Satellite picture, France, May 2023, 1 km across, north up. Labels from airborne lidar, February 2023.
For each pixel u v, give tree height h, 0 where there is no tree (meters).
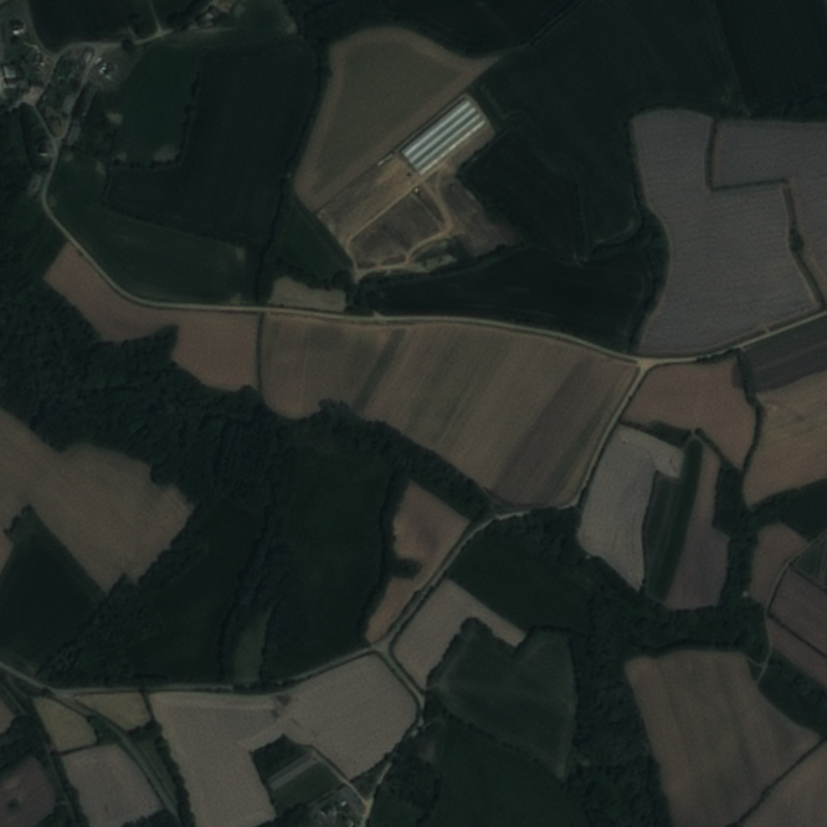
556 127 0
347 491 0
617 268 0
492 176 0
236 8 0
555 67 0
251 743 0
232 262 0
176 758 0
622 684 8
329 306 0
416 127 0
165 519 0
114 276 0
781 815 0
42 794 0
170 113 0
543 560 7
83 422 18
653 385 0
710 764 0
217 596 0
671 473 0
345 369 0
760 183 0
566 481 0
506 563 0
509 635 0
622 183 0
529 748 0
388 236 0
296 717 0
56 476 0
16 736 8
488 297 0
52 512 0
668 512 0
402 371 0
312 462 0
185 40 0
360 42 0
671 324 0
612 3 0
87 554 0
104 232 0
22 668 0
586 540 0
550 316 0
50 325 8
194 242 0
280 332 0
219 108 0
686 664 0
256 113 0
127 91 0
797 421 0
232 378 0
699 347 0
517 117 0
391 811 0
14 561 0
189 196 0
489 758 0
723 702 0
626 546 0
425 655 0
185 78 0
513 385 0
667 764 0
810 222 0
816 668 0
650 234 12
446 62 0
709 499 0
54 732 0
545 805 0
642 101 0
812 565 0
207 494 16
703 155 0
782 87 0
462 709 0
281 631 14
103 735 14
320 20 13
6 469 0
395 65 0
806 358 0
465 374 0
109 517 0
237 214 0
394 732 0
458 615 0
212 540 0
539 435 0
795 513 0
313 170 0
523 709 0
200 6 12
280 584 19
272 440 9
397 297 0
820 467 0
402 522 0
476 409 0
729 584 11
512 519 7
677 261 0
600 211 0
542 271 0
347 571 0
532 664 0
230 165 0
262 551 15
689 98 0
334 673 0
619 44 0
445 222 0
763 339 0
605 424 0
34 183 0
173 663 0
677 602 0
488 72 0
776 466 0
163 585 16
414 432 0
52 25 0
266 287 14
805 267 0
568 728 0
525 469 0
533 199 0
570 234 0
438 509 0
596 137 0
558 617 0
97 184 0
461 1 0
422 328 0
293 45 0
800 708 0
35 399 8
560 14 6
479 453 0
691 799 0
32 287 11
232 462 27
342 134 0
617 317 0
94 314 0
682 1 0
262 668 6
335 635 0
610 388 0
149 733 14
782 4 0
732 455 0
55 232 0
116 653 8
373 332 0
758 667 0
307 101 0
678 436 0
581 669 15
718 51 0
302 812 9
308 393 0
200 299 0
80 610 0
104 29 0
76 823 9
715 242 0
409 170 0
